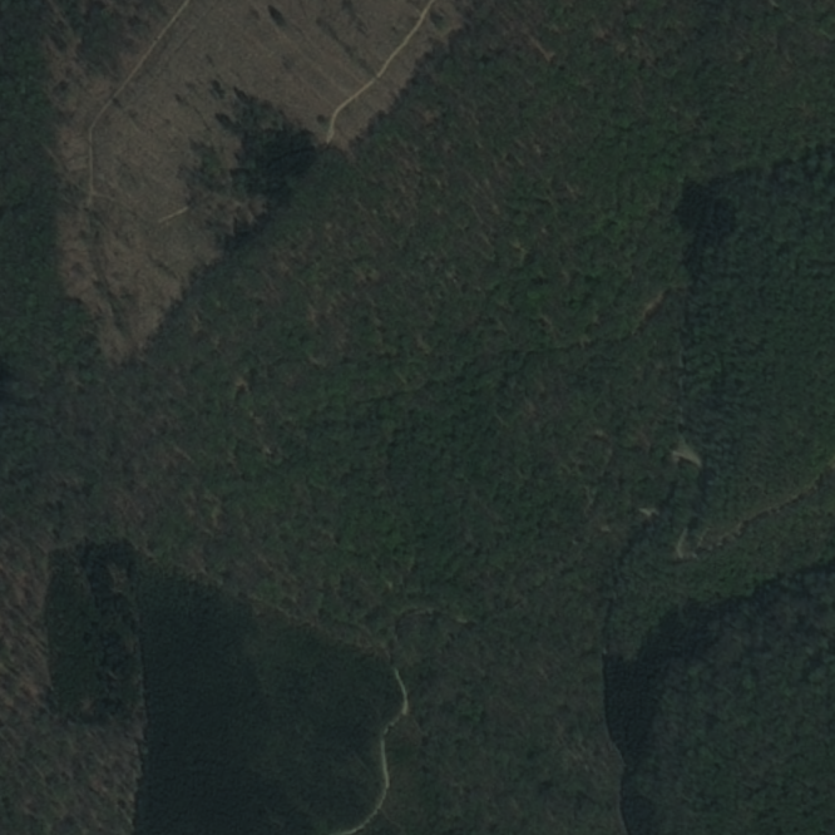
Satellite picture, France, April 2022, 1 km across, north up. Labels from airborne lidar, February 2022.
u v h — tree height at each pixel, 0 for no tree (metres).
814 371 21
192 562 27
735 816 20
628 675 24
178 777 20
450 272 23
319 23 0
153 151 0
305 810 11
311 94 0
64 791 29
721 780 23
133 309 0
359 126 0
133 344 0
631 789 31
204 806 22
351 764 10
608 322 27
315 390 29
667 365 26
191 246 0
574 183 27
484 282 30
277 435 22
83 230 0
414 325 27
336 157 23
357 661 11
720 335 25
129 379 27
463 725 21
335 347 28
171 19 24
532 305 29
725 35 22
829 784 28
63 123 22
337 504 29
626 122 27
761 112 18
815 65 25
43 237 20
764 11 30
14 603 28
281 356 24
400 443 25
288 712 14
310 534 30
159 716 16
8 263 24
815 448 27
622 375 21
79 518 26
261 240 23
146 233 0
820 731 23
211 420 25
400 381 26
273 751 11
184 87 0
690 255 19
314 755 13
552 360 20
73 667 8
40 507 26
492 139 24
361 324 26
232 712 16
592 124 24
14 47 27
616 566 19
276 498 32
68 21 17
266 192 20
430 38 0
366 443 25
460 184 23
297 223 22
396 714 10
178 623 15
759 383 22
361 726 15
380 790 8
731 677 25
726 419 30
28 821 26
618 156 25
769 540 24
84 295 0
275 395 29
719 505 19
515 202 26
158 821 22
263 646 12
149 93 0
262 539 31
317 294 24
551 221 28
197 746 12
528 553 20
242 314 26
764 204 27
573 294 29
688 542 0
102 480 27
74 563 6
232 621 17
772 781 25
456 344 23
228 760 18
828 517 25
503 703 27
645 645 14
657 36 33
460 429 25
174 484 28
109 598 12
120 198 0
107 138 0
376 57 0
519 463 28
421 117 26
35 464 29
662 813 26
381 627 28
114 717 17
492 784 26
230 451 27
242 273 28
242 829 24
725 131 28
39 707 22
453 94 25
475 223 25
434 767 24
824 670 23
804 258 19
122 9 23
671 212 26
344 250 23
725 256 23
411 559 25
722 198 19
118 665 7
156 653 17
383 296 24
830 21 26
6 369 16
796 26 17
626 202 29
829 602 26
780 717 27
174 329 26
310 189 22
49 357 25
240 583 33
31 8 25
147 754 24
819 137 28
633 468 28
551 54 23
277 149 20
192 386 26
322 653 11
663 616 23
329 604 25
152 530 25
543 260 30
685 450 0
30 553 27
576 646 30
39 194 21
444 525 15
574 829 22
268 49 0
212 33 0
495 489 24
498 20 26
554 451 28
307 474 25
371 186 24
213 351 27
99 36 25
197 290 26
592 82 25
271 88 0
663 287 29
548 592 28
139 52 23
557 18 20
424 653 26
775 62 26
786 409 21
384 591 23
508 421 28
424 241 18
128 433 26
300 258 21
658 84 26
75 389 29
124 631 6
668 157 27
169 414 29
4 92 26
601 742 29
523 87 29
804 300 19
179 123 0
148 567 13
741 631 25
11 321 30
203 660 17
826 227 21
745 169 14
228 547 25
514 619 26
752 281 22
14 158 27
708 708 22
